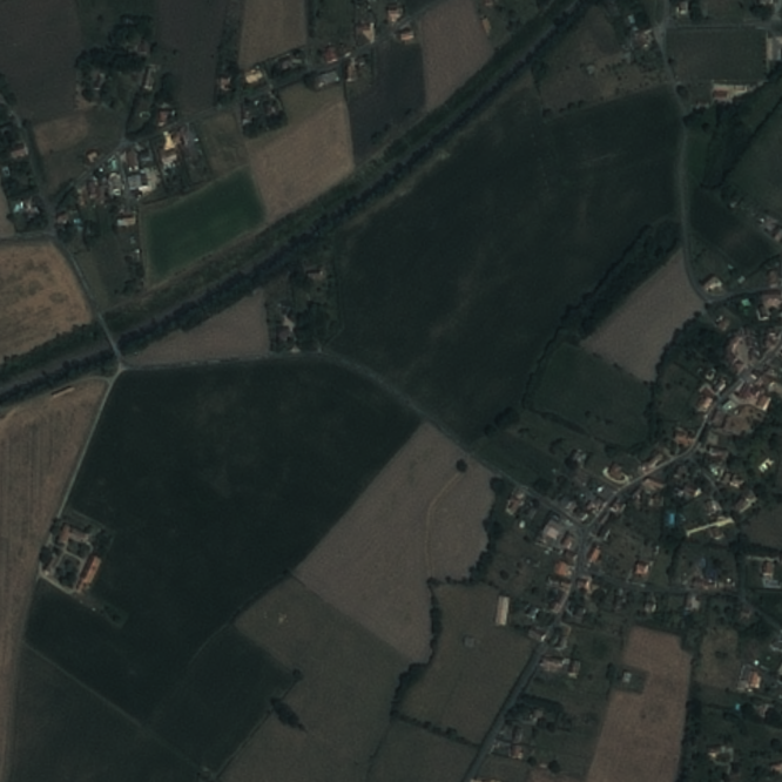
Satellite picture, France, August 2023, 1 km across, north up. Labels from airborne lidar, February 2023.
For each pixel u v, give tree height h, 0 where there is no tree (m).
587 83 0
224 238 0
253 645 0
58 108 0
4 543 0
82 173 0
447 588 0
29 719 0
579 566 0
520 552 0
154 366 0
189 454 0
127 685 0
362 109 0
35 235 0
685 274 0
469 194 0
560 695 0
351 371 0
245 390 0
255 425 0
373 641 0
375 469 0
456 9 0
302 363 0
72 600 0
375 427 0
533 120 0
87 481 0
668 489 7
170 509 0
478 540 0
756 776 6
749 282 0
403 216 0
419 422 0
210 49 0
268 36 0
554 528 0
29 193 11
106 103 11
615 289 20
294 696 0
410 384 0
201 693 0
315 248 14
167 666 0
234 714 0
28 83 0
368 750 0
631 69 0
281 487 0
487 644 0
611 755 0
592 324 18
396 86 0
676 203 0
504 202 0
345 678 0
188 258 0
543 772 0
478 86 0
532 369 0
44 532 0
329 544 0
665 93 0
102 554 6
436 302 0
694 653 0
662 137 0
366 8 0
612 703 0
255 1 0
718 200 0
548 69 13
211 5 0
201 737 0
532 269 0
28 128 9
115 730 0
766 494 13
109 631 0
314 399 0
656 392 14
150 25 10
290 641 0
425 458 0
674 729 0
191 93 0
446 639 0
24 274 0
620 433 0
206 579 0
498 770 0
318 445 0
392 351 0
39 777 0
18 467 0
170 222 0
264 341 0
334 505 0
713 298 0
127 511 0
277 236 0
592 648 0
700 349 12
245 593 0
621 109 0
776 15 0
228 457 0
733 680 0
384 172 0
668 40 0
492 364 0
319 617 0
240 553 0
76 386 0
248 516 0
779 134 0
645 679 0
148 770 0
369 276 0
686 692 0
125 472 0
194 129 0
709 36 0
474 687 0
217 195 0
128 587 0
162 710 0
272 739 0
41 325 0
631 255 12
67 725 0
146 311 0
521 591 0
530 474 0
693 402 0
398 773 0
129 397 0
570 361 0
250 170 0
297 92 0
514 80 12
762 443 16
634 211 0
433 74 0
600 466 0
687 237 0
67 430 0
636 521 0
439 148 8
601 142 0
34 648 0
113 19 0
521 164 0
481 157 0
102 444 0
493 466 0
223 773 0
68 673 0
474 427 0
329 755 0
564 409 0
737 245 0
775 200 0
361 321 0
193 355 0
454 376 0
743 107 22
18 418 0
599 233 0
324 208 0
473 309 0
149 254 0
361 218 0
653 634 0
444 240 0
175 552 0
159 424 0
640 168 0
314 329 16
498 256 0
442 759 0
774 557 11
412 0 0
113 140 0
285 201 0
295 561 0
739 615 11
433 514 0
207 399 0
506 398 0
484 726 0
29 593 0
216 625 0
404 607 0
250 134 10
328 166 0
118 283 0
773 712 11
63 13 0
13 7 0
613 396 0
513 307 0
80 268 0
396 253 0
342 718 0
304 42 0
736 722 13
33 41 0
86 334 14
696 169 0
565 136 0
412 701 0
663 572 0
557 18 0
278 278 14
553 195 0
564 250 0
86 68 10
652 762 0
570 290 0
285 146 0
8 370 14
